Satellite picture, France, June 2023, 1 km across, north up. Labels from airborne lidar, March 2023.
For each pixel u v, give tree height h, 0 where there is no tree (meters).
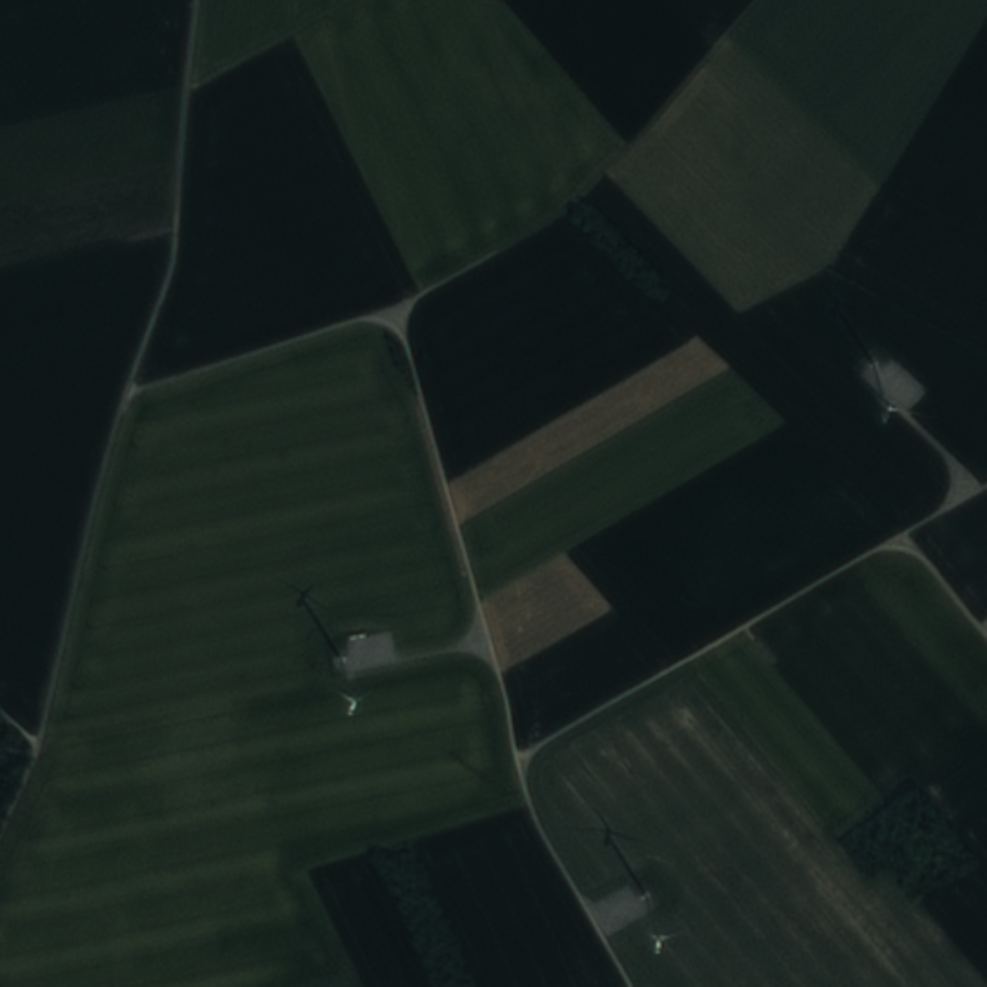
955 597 0
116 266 0
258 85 0
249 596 0
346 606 0
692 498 0
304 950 0
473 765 0
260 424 0
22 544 0
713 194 0
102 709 0
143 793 0
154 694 0
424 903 13
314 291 0
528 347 0
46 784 0
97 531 0
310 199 0
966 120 0
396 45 0
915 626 0
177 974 0
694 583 0
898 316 0
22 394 0
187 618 0
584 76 0
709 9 0
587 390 0
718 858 0
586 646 0
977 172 0
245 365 0
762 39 0
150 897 0
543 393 0
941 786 0
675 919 0
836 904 0
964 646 0
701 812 0
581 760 0
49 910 0
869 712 0
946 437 0
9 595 0
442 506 0
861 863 17
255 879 0
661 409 0
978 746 0
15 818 0
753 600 0
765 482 0
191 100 0
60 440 0
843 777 0
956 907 0
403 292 0
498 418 0
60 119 0
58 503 0
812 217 0
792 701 0
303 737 0
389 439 0
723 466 0
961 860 18
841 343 0
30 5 0
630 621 0
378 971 0
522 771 0
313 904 0
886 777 0
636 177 0
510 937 0
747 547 0
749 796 0
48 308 0
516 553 0
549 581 0
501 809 0
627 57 0
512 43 0
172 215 0
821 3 0
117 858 0
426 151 0
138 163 0
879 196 0
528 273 0
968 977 0
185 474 0
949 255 0
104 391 0
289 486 0
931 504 0
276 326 0
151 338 0
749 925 0
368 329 0
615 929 0
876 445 0
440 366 0
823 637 0
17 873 0
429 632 0
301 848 0
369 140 0
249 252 0
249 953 0
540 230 0
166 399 0
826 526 0
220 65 0
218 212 0
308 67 0
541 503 0
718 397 0
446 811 0
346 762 0
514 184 0
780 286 0
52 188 0
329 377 0
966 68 0
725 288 0
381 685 0
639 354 0
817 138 0
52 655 0
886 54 0
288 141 0
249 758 0
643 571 0
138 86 0
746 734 0
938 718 0
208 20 0
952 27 0
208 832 0
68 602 0
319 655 0
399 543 0
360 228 0
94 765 0
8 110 0
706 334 0
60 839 0
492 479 0
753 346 0
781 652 0
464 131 0
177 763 0
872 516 0
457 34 0
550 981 0
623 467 0
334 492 0
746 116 0
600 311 0
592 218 15
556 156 0
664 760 0
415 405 0
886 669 0
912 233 0
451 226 0
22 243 0
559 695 0
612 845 0
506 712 0
